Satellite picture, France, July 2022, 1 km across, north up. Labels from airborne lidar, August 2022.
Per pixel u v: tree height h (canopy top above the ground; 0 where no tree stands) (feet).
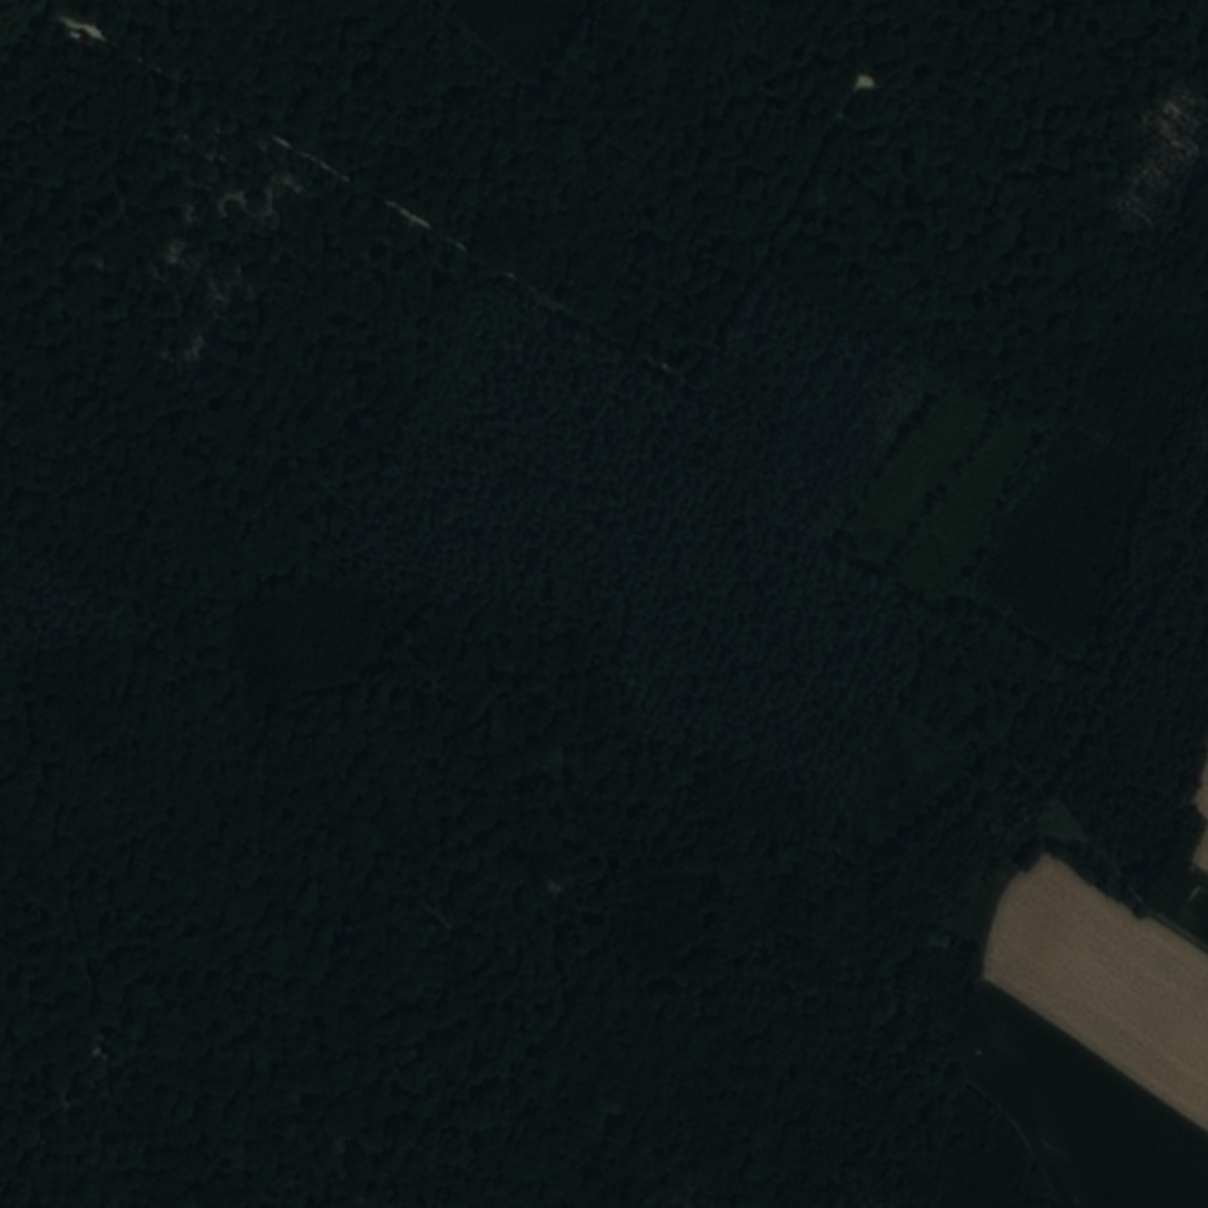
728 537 61
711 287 72
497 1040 74
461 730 90
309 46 75
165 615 74
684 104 72
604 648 73
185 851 83
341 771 70
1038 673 83
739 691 72
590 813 70
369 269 85
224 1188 63
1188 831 79
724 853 70
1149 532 61
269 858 72
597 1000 85
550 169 71
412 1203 95
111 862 80
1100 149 81
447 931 69
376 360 83
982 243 81
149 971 38
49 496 71
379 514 87
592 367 91
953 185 82
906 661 103
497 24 20
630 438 93
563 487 107
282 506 87
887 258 78
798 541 94
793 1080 73
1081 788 27
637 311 75
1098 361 36
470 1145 44
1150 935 0
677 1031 87
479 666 84
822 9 66
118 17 70
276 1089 83
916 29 76
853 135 70
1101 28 90
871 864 61
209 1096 80
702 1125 74
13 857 73
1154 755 61
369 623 41
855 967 72
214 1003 70
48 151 80
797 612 91
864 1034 65
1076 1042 0
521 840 85
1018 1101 0
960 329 73
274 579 80
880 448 70
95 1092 80
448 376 83
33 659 90
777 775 86
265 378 72
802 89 70
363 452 73
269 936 81
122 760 82
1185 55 89
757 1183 79
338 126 74
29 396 72
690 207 64
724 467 89
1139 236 40
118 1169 44
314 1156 84
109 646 81
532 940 95
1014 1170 34
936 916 59
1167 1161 0
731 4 68
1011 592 18
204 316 89
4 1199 56
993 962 0
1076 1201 0
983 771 69
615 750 63
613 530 90
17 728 68
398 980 78
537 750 80
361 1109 81
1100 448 21
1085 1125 0
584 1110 89
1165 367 32
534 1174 55
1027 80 83
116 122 75
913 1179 58
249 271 87
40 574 81
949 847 69
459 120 76
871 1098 59
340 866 80
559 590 89
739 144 58
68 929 66
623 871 85
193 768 97
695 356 29
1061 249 87
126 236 72
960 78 72
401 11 75
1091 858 42
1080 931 0
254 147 62
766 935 81
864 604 89
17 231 80
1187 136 43
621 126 82
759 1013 73
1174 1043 0
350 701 84
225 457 84
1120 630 60
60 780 67
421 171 82
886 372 69
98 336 75
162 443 105
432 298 71
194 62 84
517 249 71
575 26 73
